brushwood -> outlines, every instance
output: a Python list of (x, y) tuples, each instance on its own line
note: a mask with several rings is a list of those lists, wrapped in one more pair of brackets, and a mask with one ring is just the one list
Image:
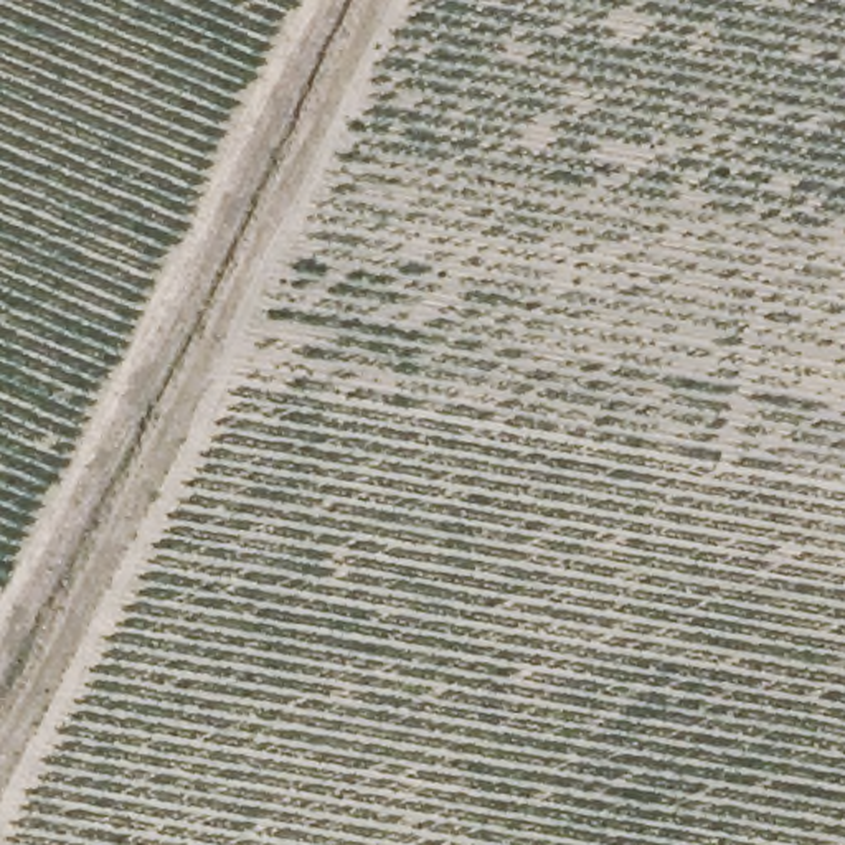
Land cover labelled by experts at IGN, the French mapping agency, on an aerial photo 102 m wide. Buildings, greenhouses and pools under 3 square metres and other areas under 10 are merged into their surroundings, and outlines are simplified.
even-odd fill
[(43, 634), (43, 624), (53, 624), (56, 604), (73, 588), (76, 568), (89, 558), (92, 538), (102, 528), (102, 518), (109, 515), (112, 498), (125, 482), (135, 456), (142, 452), (142, 439), (168, 386), (175, 383), (191, 343), (205, 333), (205, 320), (215, 307), (215, 297), (228, 271), (234, 267), (238, 248), (248, 238), (257, 205), (290, 139), (297, 135), (304, 106), (323, 73), (323, 63), (347, 23), (353, 0), (330, 0), (337, 7), (333, 20), (294, 99), (290, 119), (248, 195), (244, 218), (234, 228), (218, 261), (218, 271), (201, 304), (195, 307), (191, 327), (185, 330), (175, 356), (168, 360), (158, 389), (149, 396), (116, 472), (99, 489), (99, 498), (92, 502), (86, 525), (79, 528), (50, 594), (36, 607), (30, 630), (20, 637), (20, 647), (10, 657), (10, 667), (0, 683), (0, 716), (13, 703), (13, 687), (26, 670), (26, 660)]

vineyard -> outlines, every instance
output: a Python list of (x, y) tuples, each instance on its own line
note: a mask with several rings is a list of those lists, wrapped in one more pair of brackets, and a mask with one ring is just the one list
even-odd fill
[(224, 139), (224, 122), (238, 109), (238, 92), (244, 92), (257, 79), (257, 69), (264, 66), (267, 50), (274, 46), (274, 36), (281, 30), (281, 20), (297, 0), (0, 0), (0, 588), (7, 588), (13, 574), (17, 555), (36, 518), (36, 508), (43, 505), (43, 495), (63, 479), (63, 469), (69, 469), (73, 462), (76, 439), (89, 423), (86, 409), (96, 406), (99, 386), (122, 363), (122, 353), (132, 343), (142, 304), (149, 300), (149, 290), (158, 281), (162, 257), (168, 254), (168, 248), (182, 244), (185, 231), (191, 228), (201, 185), (208, 182), (218, 142)]

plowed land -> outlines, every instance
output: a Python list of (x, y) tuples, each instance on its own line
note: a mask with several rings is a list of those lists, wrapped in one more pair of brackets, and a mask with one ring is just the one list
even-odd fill
[(158, 389), (168, 360), (175, 356), (185, 330), (191, 327), (195, 307), (201, 304), (218, 271), (218, 261), (234, 228), (244, 218), (248, 195), (290, 119), (294, 99), (333, 20), (337, 7), (330, 0), (297, 0), (281, 20), (281, 30), (274, 36), (274, 46), (267, 50), (264, 66), (257, 69), (257, 79), (244, 92), (238, 92), (238, 109), (224, 122), (224, 139), (218, 142), (208, 182), (201, 185), (191, 228), (185, 231), (182, 244), (168, 248), (168, 254), (162, 257), (158, 281), (149, 290), (149, 300), (142, 304), (132, 343), (122, 353), (122, 363), (99, 386), (96, 406), (86, 409), (89, 423), (76, 439), (73, 462), (69, 469), (63, 469), (63, 479), (43, 495), (43, 505), (36, 508), (36, 518), (17, 555), (13, 574), (7, 588), (0, 588), (0, 683), (10, 667), (10, 657), (20, 647), (20, 637), (30, 630), (36, 607), (50, 594), (79, 528), (86, 525), (92, 502), (99, 498), (99, 489), (116, 472), (149, 396)]
[(109, 515), (102, 518), (102, 528), (92, 538), (89, 558), (76, 568), (73, 588), (56, 604), (53, 624), (43, 624), (43, 634), (26, 660), (26, 670), (13, 687), (13, 703), (0, 716), (0, 845), (845, 845), (845, 0), (353, 0), (347, 23), (323, 63), (323, 73), (304, 106), (297, 135), (290, 139), (257, 205), (248, 238), (238, 248), (234, 267), (228, 271), (215, 297), (215, 307), (205, 320), (205, 333), (191, 343), (175, 383), (168, 386), (142, 439), (142, 452), (135, 456), (125, 482), (112, 498)]

